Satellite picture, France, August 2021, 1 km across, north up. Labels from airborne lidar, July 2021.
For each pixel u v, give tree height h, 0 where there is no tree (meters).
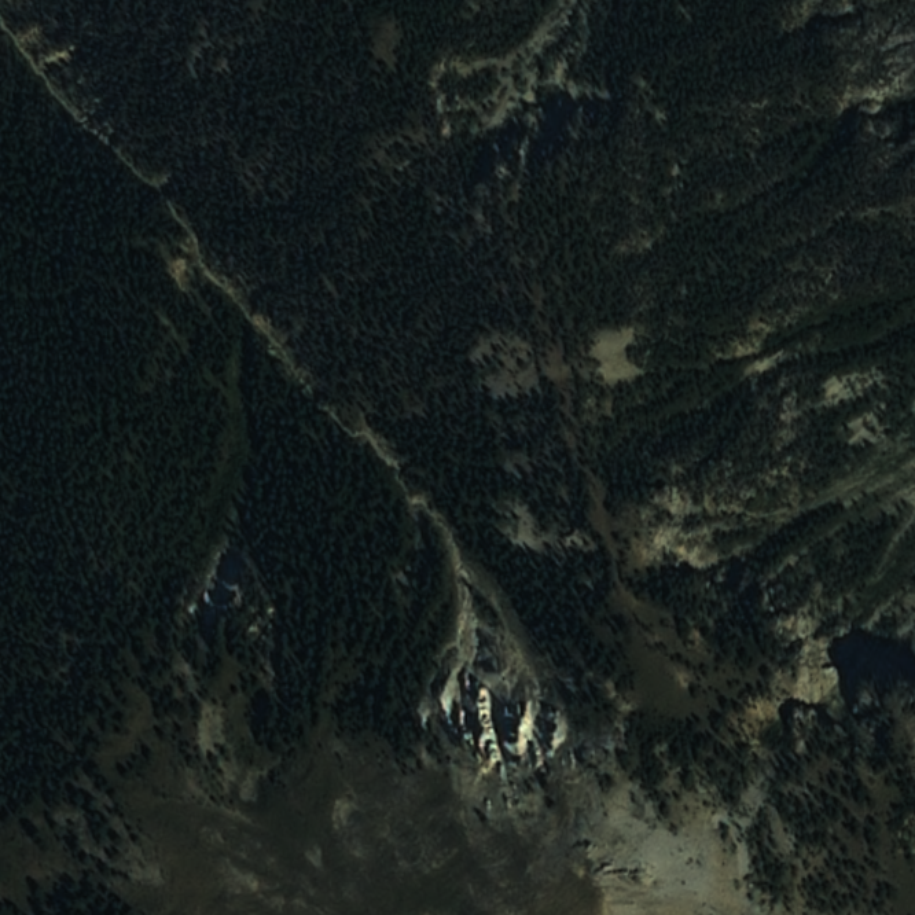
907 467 0
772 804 6
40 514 16
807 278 14
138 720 0
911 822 8
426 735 8
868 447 7
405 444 14
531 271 14
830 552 14
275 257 14
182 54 15
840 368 14
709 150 7
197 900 0
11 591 19
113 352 16
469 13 17
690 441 10
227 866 0
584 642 18
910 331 9
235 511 0
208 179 21
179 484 20
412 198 20
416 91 14
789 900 11
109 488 16
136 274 12
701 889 0
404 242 17
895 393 6
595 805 0
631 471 10
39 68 0
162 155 12
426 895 0
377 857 0
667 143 14
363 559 15
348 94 18
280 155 11
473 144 9
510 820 0
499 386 0
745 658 18
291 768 0
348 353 16
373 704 24
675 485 8
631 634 16
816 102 7
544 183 11
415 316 14
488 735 0
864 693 6
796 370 13
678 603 18
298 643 19
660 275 12
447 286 14
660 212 10
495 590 0
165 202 6
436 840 0
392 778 0
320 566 16
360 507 9
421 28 17
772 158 12
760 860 7
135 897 0
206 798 0
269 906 0
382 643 12
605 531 0
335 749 0
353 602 8
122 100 17
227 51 9
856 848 0
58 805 17
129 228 17
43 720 27
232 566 0
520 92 0
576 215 14
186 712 16
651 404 7
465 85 12
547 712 0
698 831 0
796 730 7
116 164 17
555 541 0
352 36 17
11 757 19
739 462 9
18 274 17
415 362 20
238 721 0
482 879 0
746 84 14
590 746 0
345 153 17
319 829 0
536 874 0
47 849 12
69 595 14
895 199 12
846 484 0
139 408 22
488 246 14
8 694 24
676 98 17
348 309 15
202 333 23
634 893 0
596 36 12
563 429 9
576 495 6
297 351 15
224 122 17
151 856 0
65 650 16
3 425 14
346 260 15
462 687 0
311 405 21
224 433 16
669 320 14
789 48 16
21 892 0
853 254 13
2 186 19
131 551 12
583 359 9
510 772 0
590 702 13
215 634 20
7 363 15
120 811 5
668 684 0
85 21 7
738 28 9
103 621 19
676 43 11
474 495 25
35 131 15
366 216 9
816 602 7
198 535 15
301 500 18
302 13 20
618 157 13
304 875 0
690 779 16
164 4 13
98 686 18
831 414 7
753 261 11
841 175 16
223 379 14
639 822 0
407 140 10
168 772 0
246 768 0
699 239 14
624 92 12
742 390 6
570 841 0
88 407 13
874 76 6
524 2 8
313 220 12
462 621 0
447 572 19
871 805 24
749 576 12
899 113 15
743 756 16
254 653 11
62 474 17
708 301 16
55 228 24
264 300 14
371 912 0
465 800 0
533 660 0
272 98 21
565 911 0
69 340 20
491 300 15
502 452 21
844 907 15
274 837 0
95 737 16
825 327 10
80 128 19
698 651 0
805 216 16
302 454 19
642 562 0
